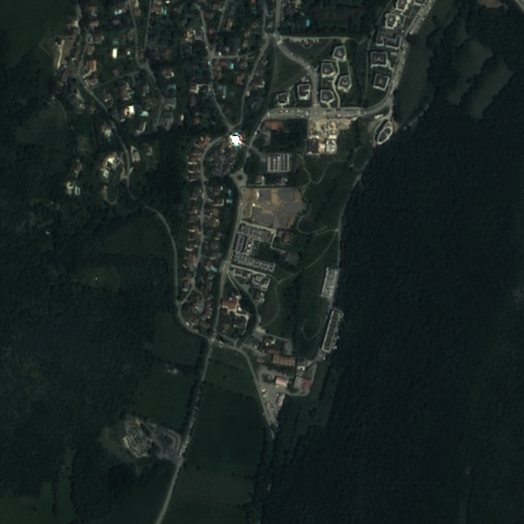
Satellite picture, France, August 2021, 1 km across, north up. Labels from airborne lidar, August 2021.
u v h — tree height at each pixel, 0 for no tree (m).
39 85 11
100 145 6
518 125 8
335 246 0
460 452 13
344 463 14
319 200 0
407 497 18
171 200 14
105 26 11
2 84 16
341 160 0
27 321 7
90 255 9
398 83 0
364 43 0
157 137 13
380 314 14
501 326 9
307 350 0
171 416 0
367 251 17
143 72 14
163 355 0
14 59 0
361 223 17
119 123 8
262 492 20
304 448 13
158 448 12
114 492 16
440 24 13
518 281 8
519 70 14
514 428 18
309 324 0
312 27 13
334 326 0
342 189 0
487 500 12
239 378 0
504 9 13
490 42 17
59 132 0
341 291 12
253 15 6
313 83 0
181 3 8
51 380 6
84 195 10
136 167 8
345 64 0
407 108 0
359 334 17
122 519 0
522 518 13
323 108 0
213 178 10
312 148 0
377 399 11
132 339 10
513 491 14
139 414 6
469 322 13
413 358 18
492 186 14
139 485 16
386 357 13
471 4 14
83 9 10
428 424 15
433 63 15
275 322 0
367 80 0
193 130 14
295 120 6
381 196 12
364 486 14
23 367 8
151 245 0
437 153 13
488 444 16
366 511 15
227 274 0
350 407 22
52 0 0
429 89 0
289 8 0
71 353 8
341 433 17
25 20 0
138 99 7
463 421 11
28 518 0
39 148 11
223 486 0
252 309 6
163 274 7
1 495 12
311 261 0
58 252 20
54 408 8
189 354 0
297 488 21
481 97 0
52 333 9
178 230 8
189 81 17
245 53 9
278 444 16
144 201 7
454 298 11
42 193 9
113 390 7
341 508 22
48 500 0
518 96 15
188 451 8
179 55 7
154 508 0
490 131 14
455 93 0
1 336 8
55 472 10
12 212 7
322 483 20
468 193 13
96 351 9
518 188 9
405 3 0
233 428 0
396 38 0
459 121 16
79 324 12
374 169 17
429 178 12
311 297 0
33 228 11
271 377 0
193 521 0
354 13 19
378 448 10
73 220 15
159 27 19
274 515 20
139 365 8
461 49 12
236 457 0
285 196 0
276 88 0
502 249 15
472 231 15
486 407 14
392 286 14
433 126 16
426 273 10
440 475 15
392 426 17
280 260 11
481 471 15
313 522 14
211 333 12
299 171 7
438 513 11
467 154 13
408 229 18
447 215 12
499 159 11
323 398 12
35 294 10
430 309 19
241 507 9
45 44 0
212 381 0
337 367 7
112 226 16
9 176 11
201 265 9
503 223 12
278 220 0
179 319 11
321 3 22
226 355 0
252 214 0
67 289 15
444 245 8
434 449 18
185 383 0
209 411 0
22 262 14
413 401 19
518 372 13
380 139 0
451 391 13
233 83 8
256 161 13
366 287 11
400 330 14
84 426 10
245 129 12
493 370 12
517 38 15
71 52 8
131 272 7
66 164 9
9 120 13
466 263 14
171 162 11
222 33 9
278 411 0
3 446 12
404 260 17
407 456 15
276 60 0
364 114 0
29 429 11
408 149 17
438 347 18
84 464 11
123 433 0
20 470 13
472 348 12
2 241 9
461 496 14
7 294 12
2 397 8
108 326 12
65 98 9
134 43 13
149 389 0
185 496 0
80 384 11
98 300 11
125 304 21
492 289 14
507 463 21
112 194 0
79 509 17
